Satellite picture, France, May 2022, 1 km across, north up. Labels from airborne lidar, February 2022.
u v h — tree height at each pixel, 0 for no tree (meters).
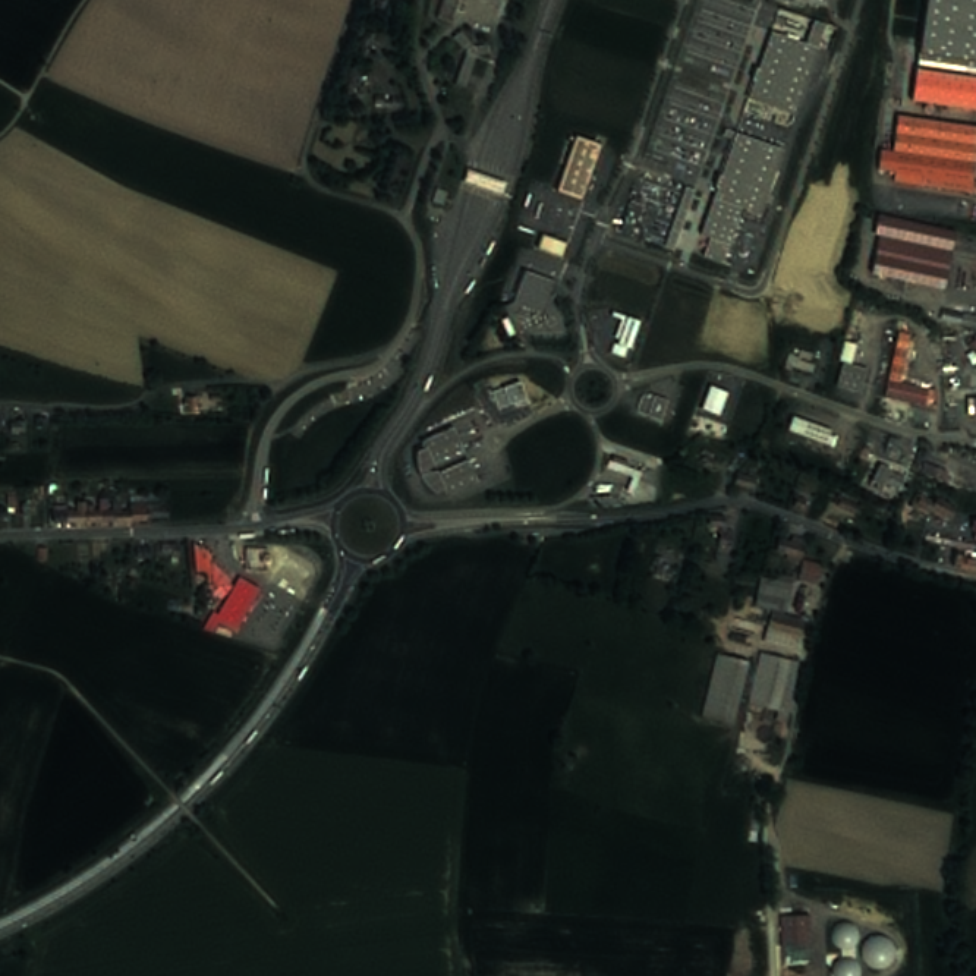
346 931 0
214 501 0
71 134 0
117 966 0
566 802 0
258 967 0
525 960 0
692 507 0
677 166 0
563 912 0
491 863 0
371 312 0
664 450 0
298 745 0
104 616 0
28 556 0
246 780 0
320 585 0
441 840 0
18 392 0
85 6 0
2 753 0
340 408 0
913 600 0
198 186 0
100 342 0
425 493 0
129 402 0
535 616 0
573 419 0
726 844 0
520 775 0
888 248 0
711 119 0
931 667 0
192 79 0
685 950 0
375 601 0
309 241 0
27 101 0
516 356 0
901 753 0
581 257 0
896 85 0
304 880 0
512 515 0
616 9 0
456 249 0
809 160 0
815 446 0
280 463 0
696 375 0
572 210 0
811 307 0
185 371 0
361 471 0
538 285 0
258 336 0
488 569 0
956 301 0
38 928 0
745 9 0
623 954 0
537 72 0
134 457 0
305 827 0
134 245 0
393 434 0
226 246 0
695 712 0
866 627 0
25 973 0
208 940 0
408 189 0
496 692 0
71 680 0
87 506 0
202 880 0
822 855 0
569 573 0
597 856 0
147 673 0
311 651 0
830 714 0
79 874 0
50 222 0
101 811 0
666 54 0
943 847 0
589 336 0
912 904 0
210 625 0
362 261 0
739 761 0
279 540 10
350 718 0
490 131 0
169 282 0
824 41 0
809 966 0
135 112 0
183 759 0
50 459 0
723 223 0
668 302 0
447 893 0
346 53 12
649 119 0
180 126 0
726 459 0
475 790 0
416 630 0
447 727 0
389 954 0
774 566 0
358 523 0
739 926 0
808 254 0
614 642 0
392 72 0
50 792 0
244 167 0
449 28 0
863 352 0
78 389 0
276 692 0
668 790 0
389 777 0
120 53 0
